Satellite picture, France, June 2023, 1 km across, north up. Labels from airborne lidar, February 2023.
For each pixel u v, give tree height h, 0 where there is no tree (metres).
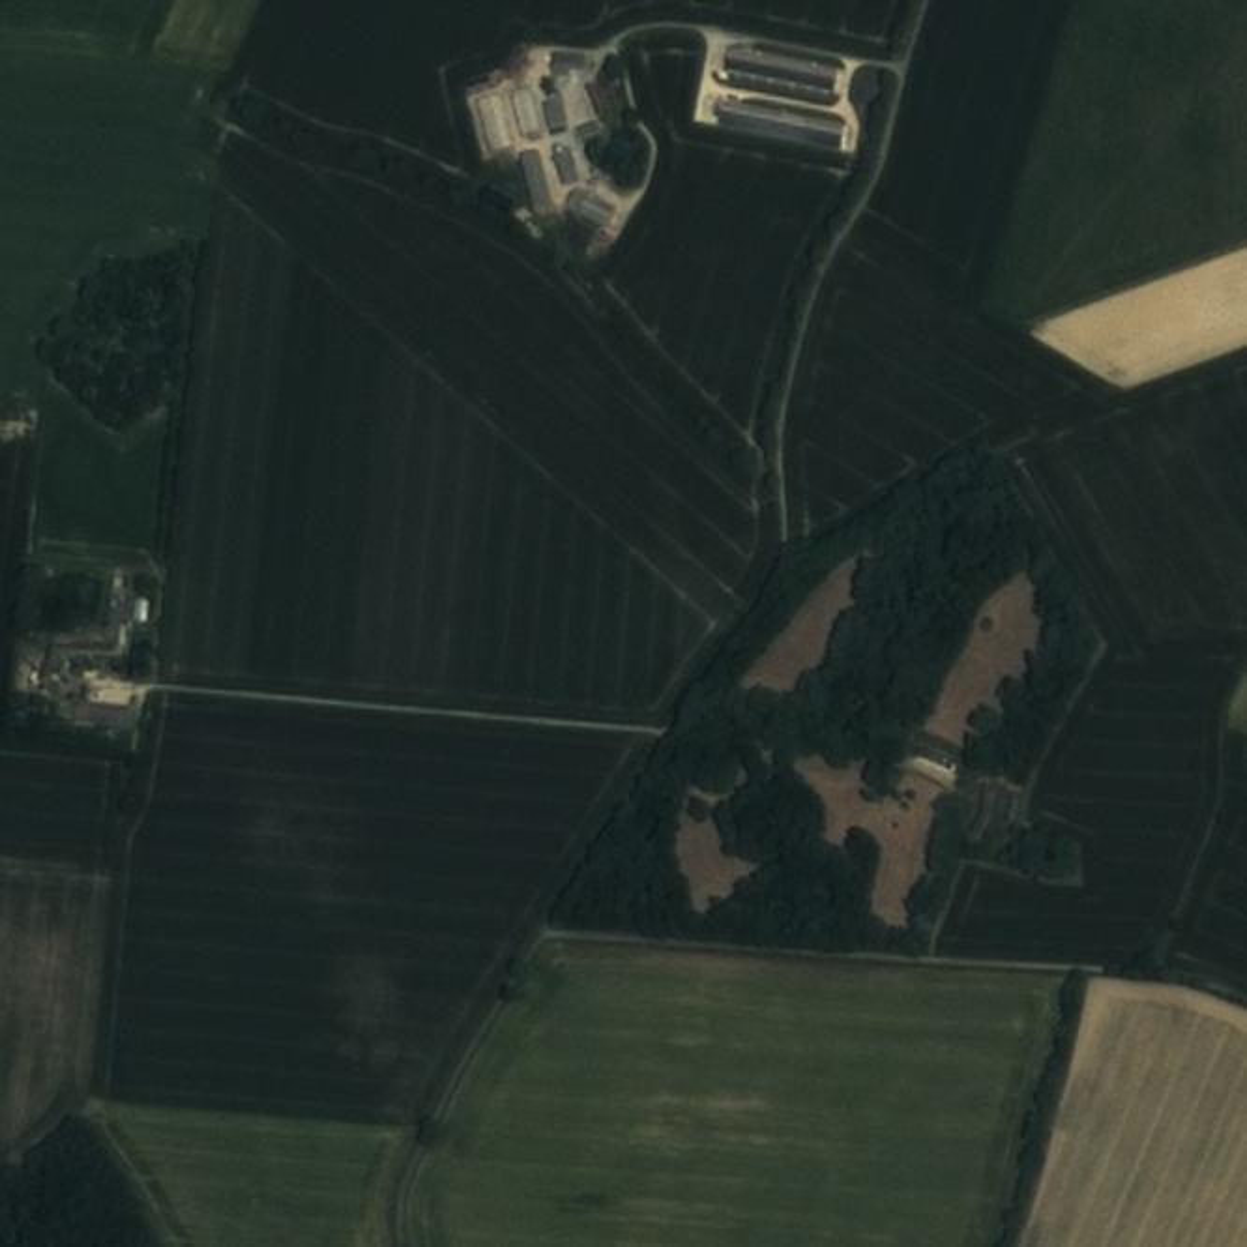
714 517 0
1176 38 0
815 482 0
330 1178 0
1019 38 0
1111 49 0
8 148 0
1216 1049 0
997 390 0
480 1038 0
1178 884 0
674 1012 0
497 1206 0
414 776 0
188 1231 0
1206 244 0
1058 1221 0
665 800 24
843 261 0
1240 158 0
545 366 0
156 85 0
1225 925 0
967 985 0
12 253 0
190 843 0
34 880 0
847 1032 0
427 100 0
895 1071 0
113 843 0
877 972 0
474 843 0
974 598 26
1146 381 0
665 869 19
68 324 17
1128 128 0
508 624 0
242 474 0
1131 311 0
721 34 0
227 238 0
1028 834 12
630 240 0
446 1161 0
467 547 0
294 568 0
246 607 0
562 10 0
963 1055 0
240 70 0
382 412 0
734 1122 0
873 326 0
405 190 0
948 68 0
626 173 21
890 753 19
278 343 0
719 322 0
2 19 0
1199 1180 0
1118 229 0
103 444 0
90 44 0
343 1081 0
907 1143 0
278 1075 0
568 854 0
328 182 0
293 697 0
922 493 19
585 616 0
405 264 0
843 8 0
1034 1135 19
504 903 0
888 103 13
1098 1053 0
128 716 0
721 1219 0
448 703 0
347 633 0
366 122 0
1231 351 0
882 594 26
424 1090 0
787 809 26
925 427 0
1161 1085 0
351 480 0
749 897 25
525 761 0
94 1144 18
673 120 0
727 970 0
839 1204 0
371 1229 0
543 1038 0
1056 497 0
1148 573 0
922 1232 0
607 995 0
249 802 0
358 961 0
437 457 0
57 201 0
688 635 0
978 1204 0
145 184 0
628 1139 0
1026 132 0
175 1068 0
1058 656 29
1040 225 0
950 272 0
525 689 0
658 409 0
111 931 0
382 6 0
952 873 23
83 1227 21
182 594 0
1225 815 7
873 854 21
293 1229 0
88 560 0
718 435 16
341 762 0
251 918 0
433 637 0
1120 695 0
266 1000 0
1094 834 0
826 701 25
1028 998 0
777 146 0
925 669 30
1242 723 0
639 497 0
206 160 0
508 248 0
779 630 19
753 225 0
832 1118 0
